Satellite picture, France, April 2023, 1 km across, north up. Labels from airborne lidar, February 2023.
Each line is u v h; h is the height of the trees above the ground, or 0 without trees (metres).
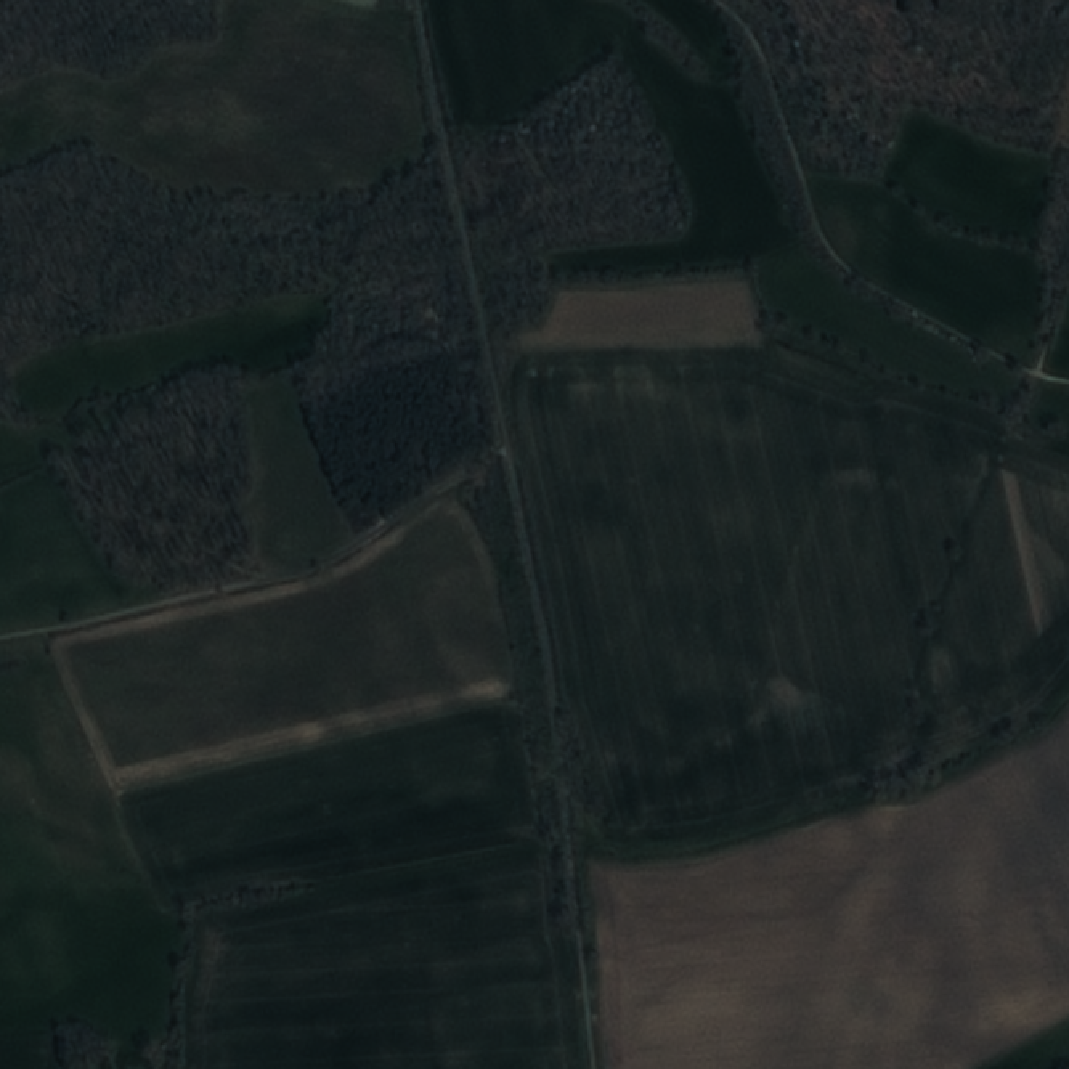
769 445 0
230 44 0
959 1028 0
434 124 16
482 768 0
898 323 15
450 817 0
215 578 20
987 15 11
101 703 0
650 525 0
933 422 0
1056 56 17
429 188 21
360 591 0
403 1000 0
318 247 18
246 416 22
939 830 0
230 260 19
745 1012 0
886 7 18
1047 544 0
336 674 0
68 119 0
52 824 0
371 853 0
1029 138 18
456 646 0
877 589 0
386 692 0
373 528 0
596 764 0
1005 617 0
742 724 0
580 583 0
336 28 0
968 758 6
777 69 18
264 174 0
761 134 13
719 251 0
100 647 0
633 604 0
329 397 19
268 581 0
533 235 9
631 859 0
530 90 0
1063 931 0
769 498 0
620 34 0
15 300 22
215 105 0
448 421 22
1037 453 0
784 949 0
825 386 0
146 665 0
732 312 0
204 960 0
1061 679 0
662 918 0
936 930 0
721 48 0
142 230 19
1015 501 0
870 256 0
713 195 0
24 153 0
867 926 0
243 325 0
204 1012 0
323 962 0
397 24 0
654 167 18
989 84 21
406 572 0
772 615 0
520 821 0
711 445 0
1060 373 0
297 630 0
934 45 15
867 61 18
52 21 20
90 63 18
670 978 0
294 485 0
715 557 0
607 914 0
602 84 13
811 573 0
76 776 0
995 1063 0
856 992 0
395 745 0
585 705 0
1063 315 11
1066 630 0
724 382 0
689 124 0
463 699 0
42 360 0
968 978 0
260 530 0
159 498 24
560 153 20
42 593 0
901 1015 0
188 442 24
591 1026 0
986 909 0
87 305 23
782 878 0
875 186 0
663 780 0
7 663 0
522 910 0
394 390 21
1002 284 0
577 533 0
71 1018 0
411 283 14
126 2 20
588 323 0
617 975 0
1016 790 0
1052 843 0
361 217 15
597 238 18
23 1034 0
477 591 0
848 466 0
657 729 0
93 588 0
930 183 0
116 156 0
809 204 13
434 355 22
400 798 0
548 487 0
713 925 0
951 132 0
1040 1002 0
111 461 24
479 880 0
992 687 0
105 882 0
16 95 0
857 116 20
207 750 0
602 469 0
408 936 0
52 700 0
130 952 0
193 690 0
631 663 0
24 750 0
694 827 0
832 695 0
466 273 15
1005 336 0
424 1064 0
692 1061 0
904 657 0
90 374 0
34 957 0
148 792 0
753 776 0
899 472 0
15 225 15
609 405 0
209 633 0
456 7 0
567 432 0
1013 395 0
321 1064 0
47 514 0
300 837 0
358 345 11
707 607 0
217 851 0
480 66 0
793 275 0
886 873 0
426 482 14
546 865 0
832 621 0
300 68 0
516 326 21
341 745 0
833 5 18
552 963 0
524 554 13
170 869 0
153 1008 0
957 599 0
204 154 0
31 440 0
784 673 0
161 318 21
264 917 0
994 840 0
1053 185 15
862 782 0
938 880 0
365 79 0
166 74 0
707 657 0
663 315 0
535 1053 0
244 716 0
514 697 9
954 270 0
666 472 0
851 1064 0
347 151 0
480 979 0
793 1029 0
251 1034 0
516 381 0
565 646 0
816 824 0
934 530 0
